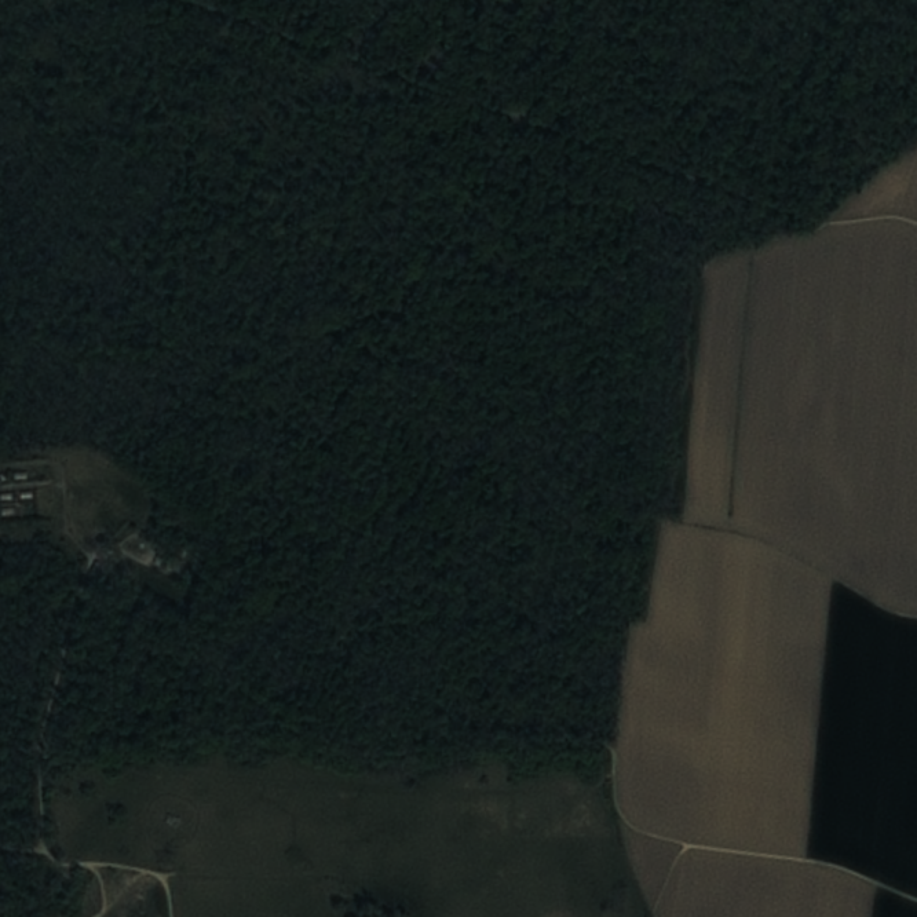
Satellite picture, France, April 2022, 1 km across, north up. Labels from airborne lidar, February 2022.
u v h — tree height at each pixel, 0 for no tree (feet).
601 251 76
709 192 87
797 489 0
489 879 0
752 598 0
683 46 96
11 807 62
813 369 0
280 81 25
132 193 85
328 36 77
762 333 0
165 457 73
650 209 85
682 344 76
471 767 37
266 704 67
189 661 88
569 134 62
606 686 86
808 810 0
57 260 92
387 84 74
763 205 78
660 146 80
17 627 71
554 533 75
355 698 68
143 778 0
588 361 75
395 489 79
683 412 36
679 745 0
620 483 98
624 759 0
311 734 68
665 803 0
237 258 88
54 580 75
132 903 0
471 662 75
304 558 81
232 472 71
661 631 0
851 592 0
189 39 69
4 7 68
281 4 72
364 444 84
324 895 0
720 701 0
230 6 97
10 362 75
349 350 75
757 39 85
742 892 0
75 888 50
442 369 85
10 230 76
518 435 91
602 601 75
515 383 93
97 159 70
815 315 0
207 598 82
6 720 66
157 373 68
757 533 0
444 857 0
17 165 77
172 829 0
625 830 0
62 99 66
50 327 86
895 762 0
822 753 0
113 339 93
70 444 56
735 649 0
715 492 0
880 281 0
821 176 49
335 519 87
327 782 0
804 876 0
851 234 0
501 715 42
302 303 66
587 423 70
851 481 0
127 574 64
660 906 0
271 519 68
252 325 68
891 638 0
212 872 0
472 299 49
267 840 0
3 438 121
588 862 0
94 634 96
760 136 92
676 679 0
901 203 0
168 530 41
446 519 65
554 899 0
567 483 101
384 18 84
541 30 70
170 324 78
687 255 86
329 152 75
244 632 64
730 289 0
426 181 77
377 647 73
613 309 79
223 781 0
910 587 0
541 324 89
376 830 0
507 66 63
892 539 0
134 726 66
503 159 78
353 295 67
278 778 0
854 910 0
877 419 0
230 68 86
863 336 0
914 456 0
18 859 85
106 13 96
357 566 91
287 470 98
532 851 0
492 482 65
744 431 0
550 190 56
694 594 0
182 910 0
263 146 83
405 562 87
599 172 77
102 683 67
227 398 87
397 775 70
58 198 91
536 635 95
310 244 74
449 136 75
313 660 74
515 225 76
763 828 0
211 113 91
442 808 0
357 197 100
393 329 66
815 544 0
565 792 0
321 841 0
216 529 75
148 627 89
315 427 84
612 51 77
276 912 0
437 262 78
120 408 69
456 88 69
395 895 0
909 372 0
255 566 72
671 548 0
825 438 0
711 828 0
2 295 110
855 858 0
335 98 66
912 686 0
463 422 95
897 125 65
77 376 75
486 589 75
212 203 64
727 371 0
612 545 79
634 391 83
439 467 79
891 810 0
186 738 58
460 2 87
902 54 82
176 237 75
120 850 0
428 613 57
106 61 81
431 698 87
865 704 0
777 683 0
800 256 0
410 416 65
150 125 87
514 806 0
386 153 78
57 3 86
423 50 73
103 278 102
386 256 86
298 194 85
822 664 0
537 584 90
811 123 84
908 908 0
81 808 0
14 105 76
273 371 82
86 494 0
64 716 57
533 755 53
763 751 0
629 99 84
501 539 34
